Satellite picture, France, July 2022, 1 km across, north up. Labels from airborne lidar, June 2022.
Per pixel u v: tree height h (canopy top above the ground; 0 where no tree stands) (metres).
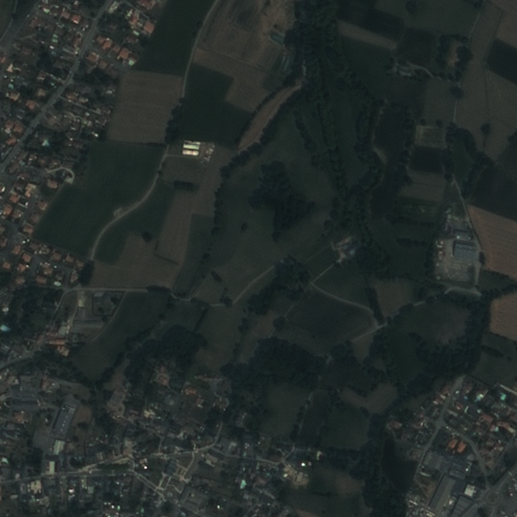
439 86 0
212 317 0
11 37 0
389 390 0
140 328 0
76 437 8
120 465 6
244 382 16
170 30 0
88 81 8
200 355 0
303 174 0
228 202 0
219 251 0
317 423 0
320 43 0
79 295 0
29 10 0
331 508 0
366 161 17
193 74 0
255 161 0
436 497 0
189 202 0
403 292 0
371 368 20
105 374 12
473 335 21
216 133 0
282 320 14
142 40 7
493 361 0
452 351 15
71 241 0
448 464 0
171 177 0
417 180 0
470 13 0
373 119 19
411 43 0
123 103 0
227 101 0
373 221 0
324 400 0
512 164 0
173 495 0
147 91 0
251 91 0
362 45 0
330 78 0
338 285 0
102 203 0
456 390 0
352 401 0
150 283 0
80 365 0
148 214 0
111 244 0
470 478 8
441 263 0
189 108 0
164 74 0
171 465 0
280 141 0
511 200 0
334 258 0
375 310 14
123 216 0
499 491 0
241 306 0
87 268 13
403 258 0
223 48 0
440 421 0
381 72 0
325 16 26
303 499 0
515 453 0
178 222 0
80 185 0
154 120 0
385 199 0
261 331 0
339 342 0
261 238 0
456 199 0
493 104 0
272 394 0
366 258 26
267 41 0
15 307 6
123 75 0
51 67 12
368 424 0
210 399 0
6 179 0
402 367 0
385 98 0
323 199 0
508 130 0
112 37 0
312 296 0
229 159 0
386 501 18
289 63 0
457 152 0
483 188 0
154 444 10
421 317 0
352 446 0
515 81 0
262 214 0
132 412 0
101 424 7
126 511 0
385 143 0
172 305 15
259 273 0
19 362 0
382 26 0
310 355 21
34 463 10
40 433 0
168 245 0
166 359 6
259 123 0
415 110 0
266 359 12
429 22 0
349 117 0
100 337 0
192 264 0
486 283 0
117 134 0
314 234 0
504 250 0
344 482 0
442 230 0
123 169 0
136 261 0
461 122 0
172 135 9
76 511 18
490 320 15
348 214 12
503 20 0
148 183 0
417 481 0
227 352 0
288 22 0
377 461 17
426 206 0
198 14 0
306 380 12
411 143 8
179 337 21
